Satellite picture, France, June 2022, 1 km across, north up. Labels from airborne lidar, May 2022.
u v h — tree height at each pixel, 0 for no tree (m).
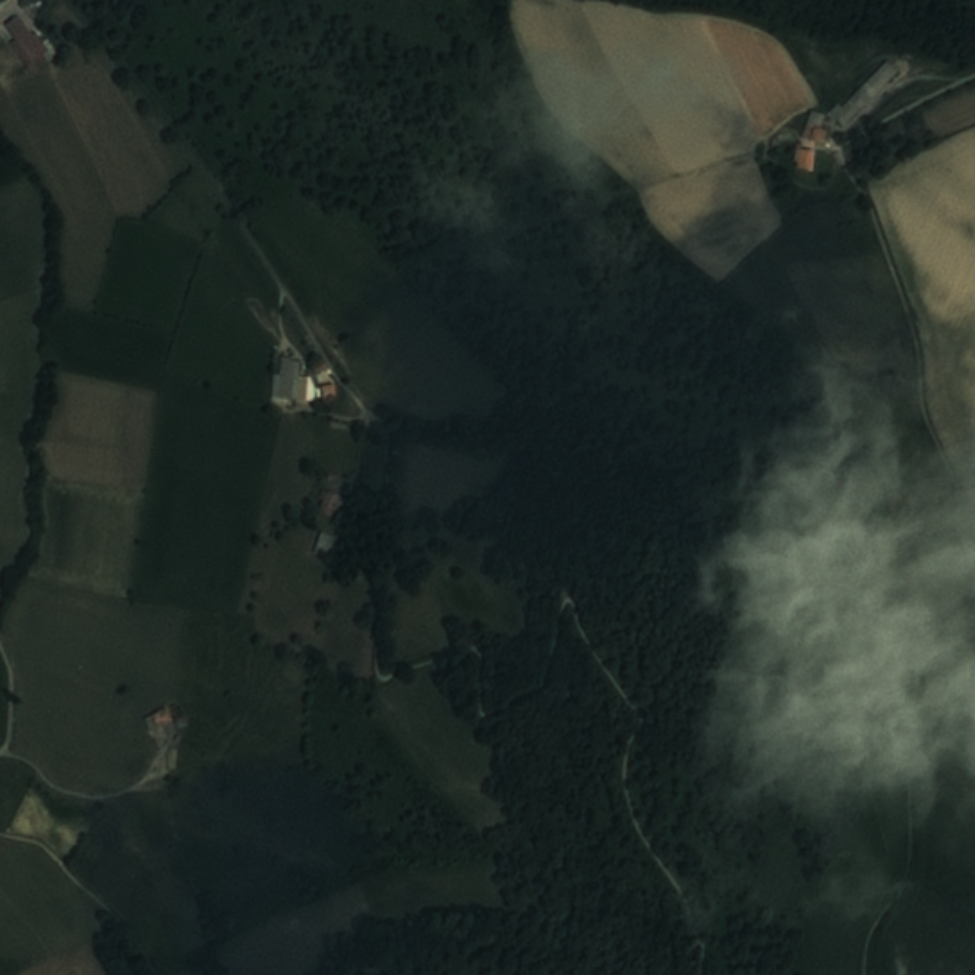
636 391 10
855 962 0
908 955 0
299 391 0
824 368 0
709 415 10
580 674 13
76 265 0
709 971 13
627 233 9
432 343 0
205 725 0
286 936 0
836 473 17
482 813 0
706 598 11
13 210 0
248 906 0
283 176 15
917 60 0
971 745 0
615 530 17
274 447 0
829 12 11
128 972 19
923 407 0
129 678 0
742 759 12
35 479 18
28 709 0
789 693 15
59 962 0
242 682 0
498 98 8
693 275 10
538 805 9
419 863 6
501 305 11
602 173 7
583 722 19
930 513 0
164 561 0
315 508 15
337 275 0
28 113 0
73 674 0
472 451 12
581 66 0
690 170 0
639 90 0
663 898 10
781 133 0
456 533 13
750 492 16
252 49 12
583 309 7
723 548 10
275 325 0
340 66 10
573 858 8
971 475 0
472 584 0
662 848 11
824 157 0
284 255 0
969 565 0
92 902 0
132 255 0
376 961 17
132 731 0
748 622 11
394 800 0
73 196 0
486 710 8
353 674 6
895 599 0
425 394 0
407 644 0
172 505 0
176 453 0
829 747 0
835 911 0
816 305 0
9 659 0
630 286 0
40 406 14
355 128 11
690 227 0
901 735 0
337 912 0
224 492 0
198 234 0
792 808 17
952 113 0
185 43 0
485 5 6
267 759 0
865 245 0
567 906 9
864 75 0
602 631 9
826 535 0
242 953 0
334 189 13
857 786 0
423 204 11
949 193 0
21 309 0
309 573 0
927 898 0
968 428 0
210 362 0
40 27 16
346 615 0
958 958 0
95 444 0
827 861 21
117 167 0
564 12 0
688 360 10
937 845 0
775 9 11
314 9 12
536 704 17
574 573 20
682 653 15
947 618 0
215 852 0
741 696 13
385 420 11
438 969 13
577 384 14
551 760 13
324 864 0
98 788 0
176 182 6
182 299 0
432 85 15
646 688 13
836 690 0
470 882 0
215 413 0
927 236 0
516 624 0
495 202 14
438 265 14
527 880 15
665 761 11
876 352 0
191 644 0
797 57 0
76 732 0
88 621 0
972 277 0
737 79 0
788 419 11
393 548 13
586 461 23
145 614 0
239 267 0
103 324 0
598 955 9
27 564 9
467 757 0
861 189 11
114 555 0
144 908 0
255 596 8
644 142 0
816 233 0
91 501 0
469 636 13
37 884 0
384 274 0
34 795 0
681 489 14
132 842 0
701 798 6
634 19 0
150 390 0
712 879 7
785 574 16
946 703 0
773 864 0
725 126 0
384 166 17
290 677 0
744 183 0
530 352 16
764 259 0
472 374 0
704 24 0
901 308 0
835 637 0
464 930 19
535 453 23
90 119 0
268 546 7
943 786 0
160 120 0
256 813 0
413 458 0
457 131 12
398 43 13
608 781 13
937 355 0
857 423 0
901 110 0
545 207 17
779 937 12
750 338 13
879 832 0
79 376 0
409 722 0
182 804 0
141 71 13
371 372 0
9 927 0
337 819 0
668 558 11
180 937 0
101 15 11
